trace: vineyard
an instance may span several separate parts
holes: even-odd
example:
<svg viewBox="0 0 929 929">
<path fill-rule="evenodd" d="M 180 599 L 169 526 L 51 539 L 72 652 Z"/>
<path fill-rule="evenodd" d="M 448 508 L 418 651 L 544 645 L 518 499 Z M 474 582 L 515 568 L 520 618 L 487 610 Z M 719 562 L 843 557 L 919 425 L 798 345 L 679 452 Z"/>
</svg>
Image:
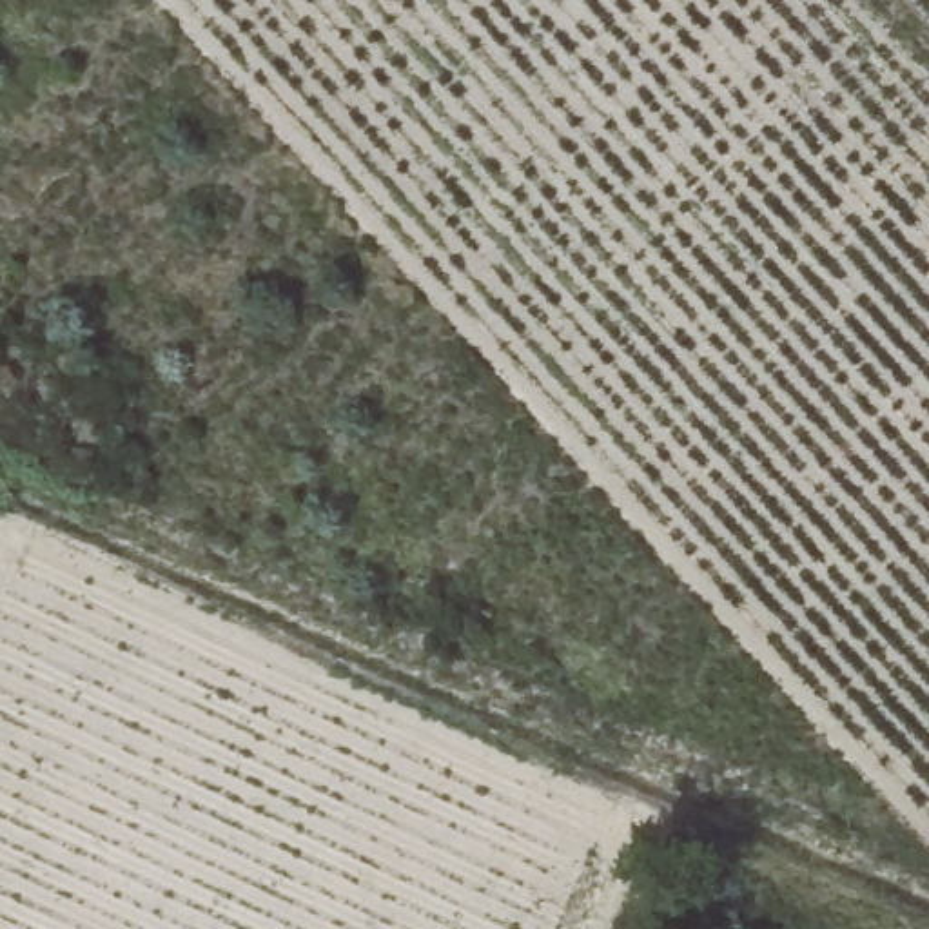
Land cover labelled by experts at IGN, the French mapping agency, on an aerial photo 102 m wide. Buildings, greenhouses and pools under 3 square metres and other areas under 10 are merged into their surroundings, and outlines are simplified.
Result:
<svg viewBox="0 0 929 929">
<path fill-rule="evenodd" d="M 639 795 L 602 791 L 595 784 L 559 777 L 548 766 L 519 762 L 443 722 L 421 719 L 414 708 L 392 704 L 377 693 L 356 689 L 345 679 L 334 679 L 327 668 L 283 650 L 279 642 L 269 642 L 261 631 L 247 624 L 203 613 L 174 584 L 138 584 L 131 562 L 105 555 L 87 541 L 47 530 L 25 515 L 0 515 L 0 929 L 610 929 L 628 893 L 628 885 L 613 875 L 617 853 L 631 842 L 635 824 L 657 820 L 660 813 Z"/>
<path fill-rule="evenodd" d="M 860 777 L 875 784 L 896 809 L 896 817 L 929 846 L 929 0 L 138 0 L 138 7 L 131 11 L 134 33 L 160 33 L 171 18 L 181 22 L 185 36 L 236 87 L 247 91 L 250 105 L 261 109 L 276 138 L 287 142 L 301 156 L 301 163 L 345 200 L 359 229 L 374 236 L 392 254 L 392 261 L 428 294 L 428 301 L 457 327 L 457 334 L 490 359 L 508 392 L 519 403 L 526 403 L 526 410 L 548 435 L 559 439 L 559 446 L 581 465 L 588 483 L 610 494 L 624 523 L 653 544 L 660 562 L 668 562 L 715 610 L 715 617 L 762 664 L 762 671 L 769 671 L 773 682 L 806 711 L 806 719 L 817 726 L 827 748 L 842 751 L 842 758 L 856 766 Z"/>
</svg>

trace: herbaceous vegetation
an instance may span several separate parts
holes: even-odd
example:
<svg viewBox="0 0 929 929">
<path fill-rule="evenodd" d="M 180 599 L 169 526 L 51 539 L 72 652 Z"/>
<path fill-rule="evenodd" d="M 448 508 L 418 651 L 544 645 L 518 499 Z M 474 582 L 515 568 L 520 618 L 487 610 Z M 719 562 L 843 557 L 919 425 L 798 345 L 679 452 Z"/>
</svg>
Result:
<svg viewBox="0 0 929 929">
<path fill-rule="evenodd" d="M 149 414 L 145 432 L 171 432 L 171 443 L 156 450 L 163 494 L 152 508 L 127 504 L 116 494 L 76 494 L 47 472 L 40 472 L 33 457 L 0 446 L 0 515 L 25 515 L 47 530 L 87 541 L 105 555 L 131 562 L 138 584 L 174 584 L 203 613 L 247 624 L 261 631 L 269 642 L 279 642 L 283 650 L 327 668 L 334 679 L 345 679 L 356 689 L 377 693 L 392 704 L 414 708 L 421 719 L 443 722 L 519 762 L 548 766 L 559 777 L 595 784 L 602 791 L 639 795 L 660 813 L 657 820 L 660 831 L 675 835 L 675 842 L 708 846 L 719 867 L 715 878 L 726 882 L 726 896 L 751 893 L 762 918 L 777 922 L 780 929 L 929 929 L 929 846 L 896 817 L 896 809 L 875 784 L 860 777 L 856 766 L 842 758 L 842 751 L 827 748 L 817 726 L 806 719 L 806 711 L 773 682 L 769 671 L 762 671 L 762 664 L 715 617 L 715 610 L 668 562 L 660 562 L 653 544 L 624 523 L 610 494 L 588 483 L 581 465 L 559 446 L 559 439 L 548 435 L 526 410 L 526 403 L 519 403 L 508 392 L 490 359 L 457 334 L 457 327 L 428 301 L 428 294 L 392 261 L 392 254 L 374 236 L 359 229 L 345 200 L 301 163 L 301 156 L 287 142 L 276 138 L 261 109 L 250 105 L 247 91 L 236 87 L 185 36 L 181 22 L 171 18 L 160 33 L 134 33 L 131 11 L 138 7 L 138 0 L 15 0 L 4 11 L 7 44 L 22 40 L 44 47 L 44 54 L 51 58 L 65 54 L 69 80 L 36 83 L 29 112 L 0 123 L 0 323 L 7 308 L 25 312 L 29 305 L 69 298 L 87 327 L 83 341 L 91 356 L 112 356 L 112 345 L 127 341 L 156 363 L 160 374 L 142 388 L 142 396 L 127 396 L 127 406 L 142 406 Z M 261 283 L 290 305 L 294 323 L 287 337 L 254 337 L 240 330 L 229 305 L 229 294 L 240 279 Z M 497 606 L 497 635 L 483 635 L 472 624 L 457 642 L 461 660 L 443 660 L 425 646 L 421 631 L 392 631 L 381 628 L 377 613 L 352 613 L 352 602 L 370 595 L 370 577 L 341 566 L 341 548 L 356 548 L 359 555 L 374 559 L 388 555 L 396 566 L 403 566 L 403 595 L 428 588 L 432 570 L 450 570 L 454 592 L 483 595 Z"/>
</svg>

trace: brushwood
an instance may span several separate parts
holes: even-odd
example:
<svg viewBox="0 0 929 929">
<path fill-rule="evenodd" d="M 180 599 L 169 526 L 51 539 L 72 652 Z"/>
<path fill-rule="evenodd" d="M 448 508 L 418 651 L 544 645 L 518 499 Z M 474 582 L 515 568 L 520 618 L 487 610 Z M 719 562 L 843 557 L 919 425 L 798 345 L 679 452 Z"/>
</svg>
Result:
<svg viewBox="0 0 929 929">
<path fill-rule="evenodd" d="M 142 388 L 160 374 L 156 363 L 127 341 L 112 345 L 112 356 L 91 356 L 83 341 L 87 327 L 69 298 L 29 305 L 25 312 L 7 308 L 0 323 L 0 446 L 33 457 L 40 472 L 47 472 L 76 494 L 116 494 L 127 504 L 152 508 L 163 494 L 156 450 L 171 443 L 171 432 L 145 432 L 149 414 L 142 406 L 127 406 L 127 396 L 142 396 Z"/>
<path fill-rule="evenodd" d="M 352 613 L 377 613 L 381 628 L 392 631 L 421 631 L 425 646 L 443 660 L 461 660 L 457 642 L 472 624 L 483 635 L 497 635 L 497 606 L 483 595 L 454 592 L 450 570 L 432 570 L 428 588 L 403 595 L 403 566 L 396 566 L 388 555 L 374 559 L 359 555 L 356 548 L 341 548 L 341 566 L 370 577 L 370 595 L 352 602 Z"/>
<path fill-rule="evenodd" d="M 294 323 L 290 305 L 261 283 L 240 279 L 229 294 L 229 305 L 240 330 L 254 337 L 287 337 Z"/>
<path fill-rule="evenodd" d="M 4 11 L 15 0 L 0 0 L 0 123 L 29 112 L 36 83 L 69 80 L 65 54 L 51 58 L 44 54 L 44 47 L 22 40 L 7 44 Z"/>
</svg>

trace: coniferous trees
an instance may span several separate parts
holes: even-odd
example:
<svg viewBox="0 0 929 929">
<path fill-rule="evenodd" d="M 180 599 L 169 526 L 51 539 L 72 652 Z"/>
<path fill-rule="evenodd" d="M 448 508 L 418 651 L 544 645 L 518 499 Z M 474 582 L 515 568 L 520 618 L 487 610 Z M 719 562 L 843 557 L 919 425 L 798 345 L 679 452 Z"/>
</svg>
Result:
<svg viewBox="0 0 929 929">
<path fill-rule="evenodd" d="M 613 875 L 628 885 L 628 893 L 610 929 L 780 929 L 777 922 L 762 918 L 751 893 L 726 896 L 726 882 L 715 878 L 719 867 L 708 846 L 675 842 L 675 835 L 660 831 L 657 820 L 635 824 L 631 842 L 617 853 Z"/>
</svg>

